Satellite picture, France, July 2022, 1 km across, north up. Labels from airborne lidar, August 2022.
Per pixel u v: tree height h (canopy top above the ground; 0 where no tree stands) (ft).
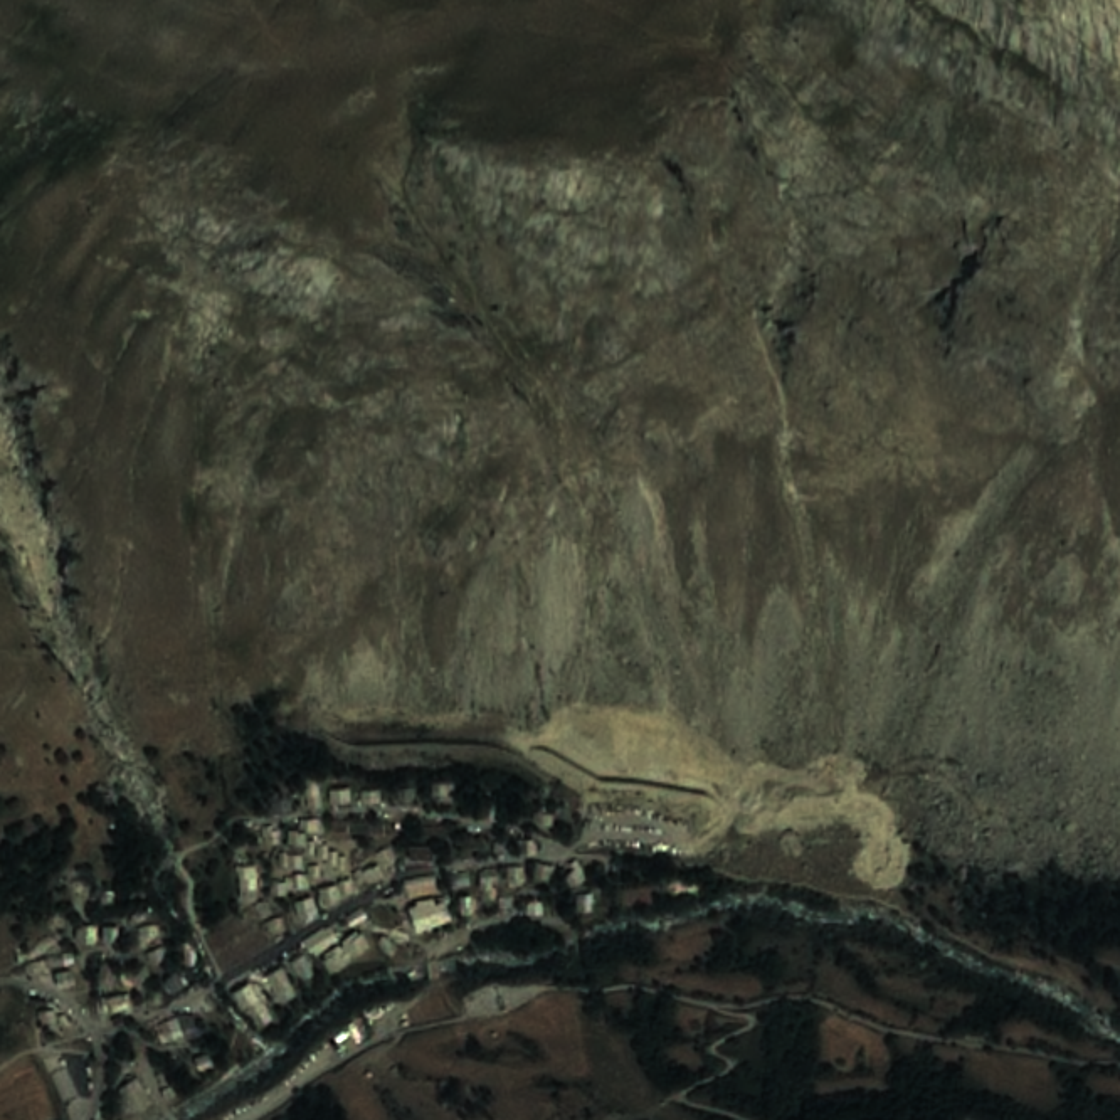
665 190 0
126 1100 0
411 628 0
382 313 0
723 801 0
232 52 0
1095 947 57
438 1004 0
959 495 0
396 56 0
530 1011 0
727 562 0
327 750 67
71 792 0
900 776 0
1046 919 65
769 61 0
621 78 0
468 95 0
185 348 0
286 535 0
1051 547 0
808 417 0
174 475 0
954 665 0
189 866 28
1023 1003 26
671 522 0
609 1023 22
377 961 0
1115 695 0
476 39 0
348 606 0
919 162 0
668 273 0
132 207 0
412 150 0
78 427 0
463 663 0
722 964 46
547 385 0
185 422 0
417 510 0
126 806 33
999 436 0
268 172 0
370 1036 0
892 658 0
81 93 0
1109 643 0
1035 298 0
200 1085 28
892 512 0
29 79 0
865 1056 21
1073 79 0
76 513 0
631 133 0
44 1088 0
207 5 0
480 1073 0
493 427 0
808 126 0
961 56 0
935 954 35
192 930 30
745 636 0
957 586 0
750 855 0
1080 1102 31
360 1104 0
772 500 0
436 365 0
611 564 0
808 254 0
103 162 0
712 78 0
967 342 63
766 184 0
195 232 0
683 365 0
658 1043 41
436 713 0
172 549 0
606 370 0
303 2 0
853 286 0
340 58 0
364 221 0
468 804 55
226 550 0
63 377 0
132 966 36
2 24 0
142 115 0
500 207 0
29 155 0
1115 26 0
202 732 0
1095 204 0
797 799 0
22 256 0
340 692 0
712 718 0
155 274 0
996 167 0
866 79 0
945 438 0
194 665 0
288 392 0
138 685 0
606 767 0
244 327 0
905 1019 0
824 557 0
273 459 0
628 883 38
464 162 0
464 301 0
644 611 0
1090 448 0
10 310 0
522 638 0
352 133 0
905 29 0
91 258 0
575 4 0
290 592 0
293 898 23
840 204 0
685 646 0
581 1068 0
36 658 0
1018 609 0
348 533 0
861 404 0
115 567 0
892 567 0
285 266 0
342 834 0
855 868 0
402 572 0
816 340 0
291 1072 0
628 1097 0
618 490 0
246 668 0
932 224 0
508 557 0
